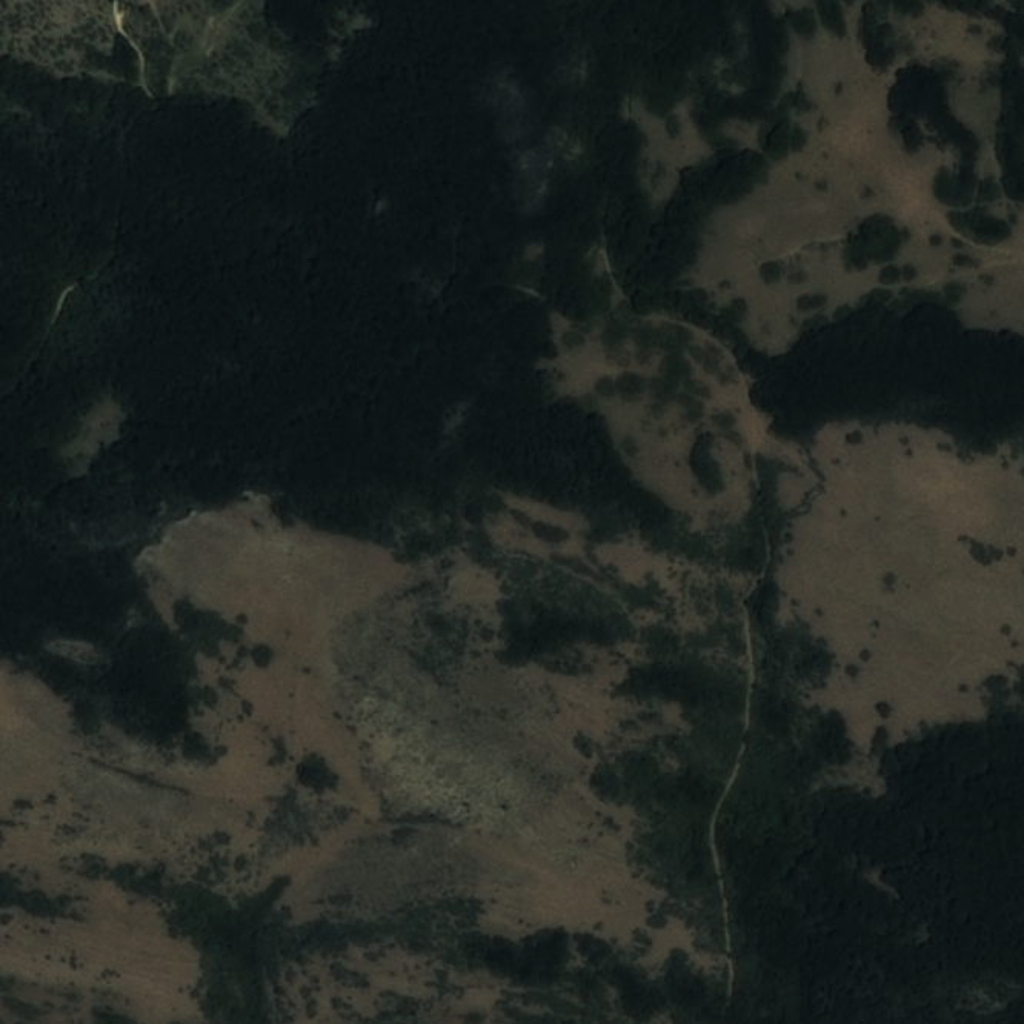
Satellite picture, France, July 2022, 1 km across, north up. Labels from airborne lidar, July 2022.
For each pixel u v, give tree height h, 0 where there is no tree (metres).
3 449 20
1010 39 9
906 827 22
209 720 0
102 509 10
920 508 0
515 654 7
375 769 0
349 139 17
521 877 0
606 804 0
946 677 0
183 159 17
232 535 0
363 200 17
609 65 12
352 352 18
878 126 0
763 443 0
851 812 13
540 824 0
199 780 0
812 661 6
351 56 13
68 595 9
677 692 14
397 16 15
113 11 0
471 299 13
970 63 0
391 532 7
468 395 7
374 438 9
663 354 0
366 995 0
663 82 7
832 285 0
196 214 13
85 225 11
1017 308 0
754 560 8
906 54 0
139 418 9
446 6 17
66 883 0
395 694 0
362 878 0
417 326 16
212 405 18
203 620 7
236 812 0
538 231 8
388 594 0
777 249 0
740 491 0
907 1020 8
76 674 6
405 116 10
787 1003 7
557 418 24
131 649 15
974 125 0
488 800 0
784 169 0
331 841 0
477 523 11
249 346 15
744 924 8
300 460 17
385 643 0
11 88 7
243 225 14
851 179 0
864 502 0
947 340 18
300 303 22
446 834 0
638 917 0
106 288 10
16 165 20
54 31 0
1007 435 7
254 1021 7
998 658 0
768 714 11
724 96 6
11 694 0
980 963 11
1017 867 10
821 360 17
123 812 0
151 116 17
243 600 0
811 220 0
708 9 16
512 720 0
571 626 9
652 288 9
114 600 7
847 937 15
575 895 0
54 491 14
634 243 15
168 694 15
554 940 6
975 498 0
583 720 0
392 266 16
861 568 0
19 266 13
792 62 0
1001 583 0
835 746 10
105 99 11
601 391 0
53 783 0
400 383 16
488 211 8
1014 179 14
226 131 20
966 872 14
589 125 9
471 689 0
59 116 10
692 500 0
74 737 0
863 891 13
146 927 0
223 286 22
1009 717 10
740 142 0
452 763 0
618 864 0
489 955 7
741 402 0
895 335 16
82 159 11
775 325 0
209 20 0
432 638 0
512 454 15
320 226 17
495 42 12
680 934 0
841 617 0
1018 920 15
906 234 0
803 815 6
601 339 0
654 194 0
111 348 11
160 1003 0
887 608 0
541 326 7
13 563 6
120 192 14
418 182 17
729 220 0
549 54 10
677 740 7
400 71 8
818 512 0
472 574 0
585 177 10
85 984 0
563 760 0
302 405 17
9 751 0
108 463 12
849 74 0
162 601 0
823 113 0
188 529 0
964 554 0
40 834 0
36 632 8
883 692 0
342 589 0
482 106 7
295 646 0
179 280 20
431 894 0
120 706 14
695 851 8
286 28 14
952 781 21
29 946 0
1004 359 17
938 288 0
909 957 17
